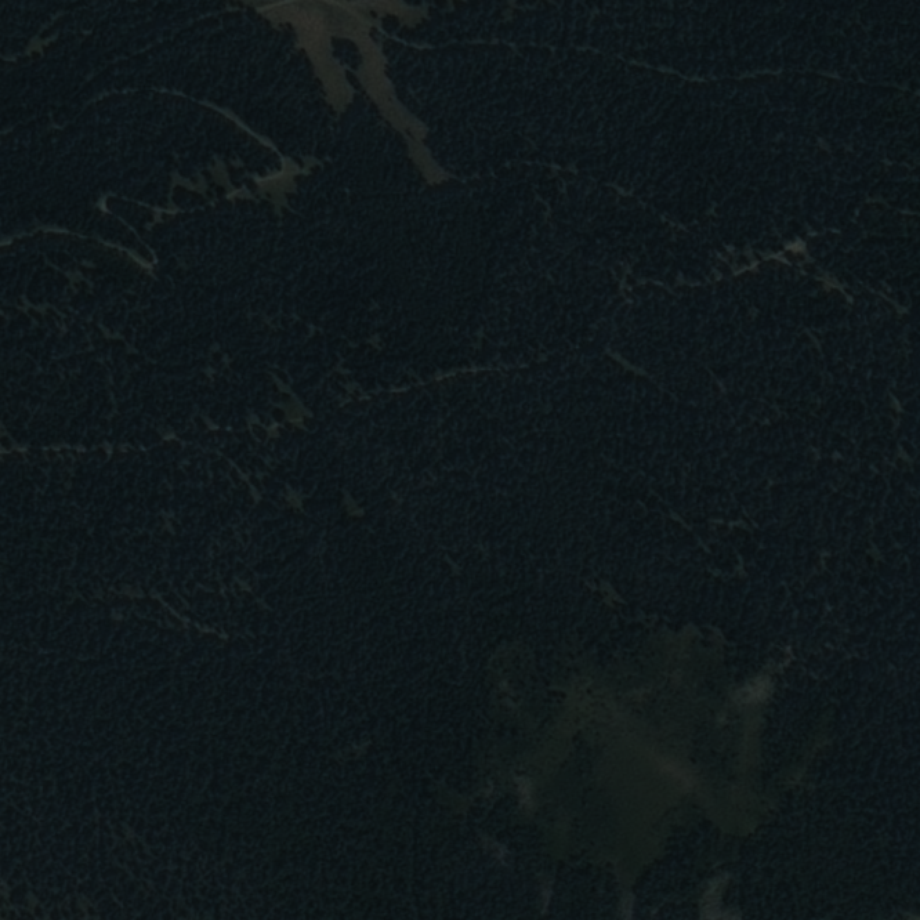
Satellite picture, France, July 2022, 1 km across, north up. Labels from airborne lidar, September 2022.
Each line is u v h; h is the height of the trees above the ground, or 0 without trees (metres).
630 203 20
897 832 18
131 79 17
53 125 10
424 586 13
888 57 11
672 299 29
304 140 20
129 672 24
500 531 16
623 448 12
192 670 24
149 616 8
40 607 21
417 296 21
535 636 12
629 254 26
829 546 22
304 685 22
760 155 18
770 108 28
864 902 12
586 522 11
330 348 15
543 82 11
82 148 16
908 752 21
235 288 22
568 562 15
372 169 23
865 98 16
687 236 12
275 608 18
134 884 8
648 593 15
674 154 12
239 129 9
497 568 15
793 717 14
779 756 8
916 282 14
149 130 15
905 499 31
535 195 17
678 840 8
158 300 14
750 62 24
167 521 20
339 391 23
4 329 20
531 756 0
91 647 16
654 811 0
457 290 18
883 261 14
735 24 14
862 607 21
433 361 14
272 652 20
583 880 11
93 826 10
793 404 8
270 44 17
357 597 15
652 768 0
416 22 0
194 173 29
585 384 12
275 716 23
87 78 10
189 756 18
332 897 9
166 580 15
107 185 22
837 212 23
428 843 6
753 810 0
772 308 9
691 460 24
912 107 16
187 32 15
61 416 9
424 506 21
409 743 9
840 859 7
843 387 20
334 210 12
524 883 10
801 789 10
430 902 7
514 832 9
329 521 22
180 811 11
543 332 19
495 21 16
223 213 12
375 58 0
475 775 9
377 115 14
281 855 12
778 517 30
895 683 32
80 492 17
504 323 30
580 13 19
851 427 29
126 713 12
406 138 13
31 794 13
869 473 30
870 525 27
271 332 16
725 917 0
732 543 18
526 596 18
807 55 28
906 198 13
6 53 24
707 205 15
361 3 0
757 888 10
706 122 21
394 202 21
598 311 25
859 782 12
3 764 18
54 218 11
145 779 13
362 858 10
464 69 16
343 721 20
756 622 22
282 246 10
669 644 0
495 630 9
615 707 0
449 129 17
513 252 23
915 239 12
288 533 19
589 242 7
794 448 20
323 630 20
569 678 7
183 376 19
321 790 10
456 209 21
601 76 17
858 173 22
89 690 14
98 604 8
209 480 29
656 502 19
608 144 18
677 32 25
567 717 0
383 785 15
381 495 18
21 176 16
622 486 9
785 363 20
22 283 21
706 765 0
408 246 15
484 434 16
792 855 10
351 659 18
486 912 9
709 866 7
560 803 0
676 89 16
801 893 9
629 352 17
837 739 8
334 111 20
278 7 0
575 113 25
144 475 16
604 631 14
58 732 13
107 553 27
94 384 19
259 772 16
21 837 14
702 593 21
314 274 20
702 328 10
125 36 20
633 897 0
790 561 21
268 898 10
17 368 15
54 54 14
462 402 10
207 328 11
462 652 21
